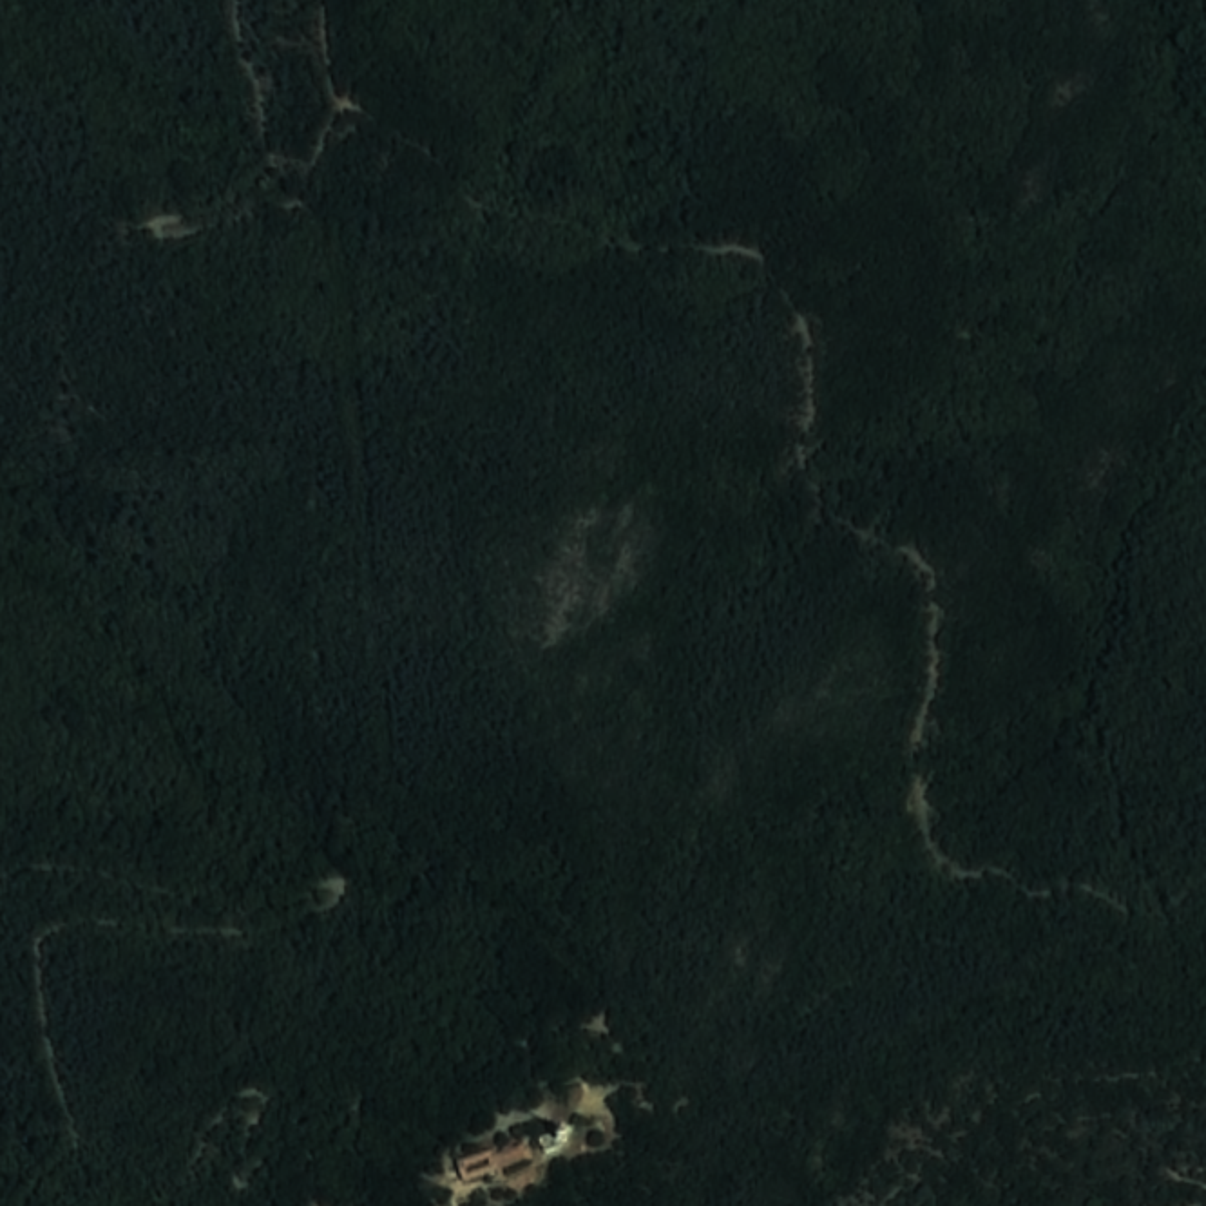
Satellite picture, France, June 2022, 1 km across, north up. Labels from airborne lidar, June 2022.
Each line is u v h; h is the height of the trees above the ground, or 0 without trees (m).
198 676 10
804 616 14
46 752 12
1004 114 16
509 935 17
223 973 15
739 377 12
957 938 19
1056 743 18
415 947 15
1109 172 11
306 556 11
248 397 7
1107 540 12
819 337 11
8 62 8
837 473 14
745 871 8
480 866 6
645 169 11
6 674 9
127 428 7
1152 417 8
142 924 10
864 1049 16
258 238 12
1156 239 11
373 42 11
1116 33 6
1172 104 13
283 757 11
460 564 12
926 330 11
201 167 12
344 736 11
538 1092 13
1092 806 15
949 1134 9
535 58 13
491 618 7
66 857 16
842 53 17
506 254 13
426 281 11
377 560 7
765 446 11
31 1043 9
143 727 15
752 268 13
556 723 8
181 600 15
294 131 8
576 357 7
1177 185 13
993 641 14
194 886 15
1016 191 12
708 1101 9
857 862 18
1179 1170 14
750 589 12
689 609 12
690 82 14
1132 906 11
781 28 14
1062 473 10
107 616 8
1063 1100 8
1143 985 13
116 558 9
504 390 7
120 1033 14
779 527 12
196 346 9
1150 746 17
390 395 17
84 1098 9
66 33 10
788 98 9
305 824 13
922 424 23
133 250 7
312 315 7
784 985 9
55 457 8
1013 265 13
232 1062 15
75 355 7
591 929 14
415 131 16
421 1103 15
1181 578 21
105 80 15
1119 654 28
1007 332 17
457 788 11
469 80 12
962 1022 9
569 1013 15
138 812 15
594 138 9
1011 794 16
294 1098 13
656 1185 10
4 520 14
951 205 16
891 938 15
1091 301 13
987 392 19
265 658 11
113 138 12
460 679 12
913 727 11
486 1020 18
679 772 7
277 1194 16
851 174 11
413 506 14
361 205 9
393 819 10
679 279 12
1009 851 14
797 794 12
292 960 13
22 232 6
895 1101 12
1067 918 11
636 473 9
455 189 15
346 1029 17
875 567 12
